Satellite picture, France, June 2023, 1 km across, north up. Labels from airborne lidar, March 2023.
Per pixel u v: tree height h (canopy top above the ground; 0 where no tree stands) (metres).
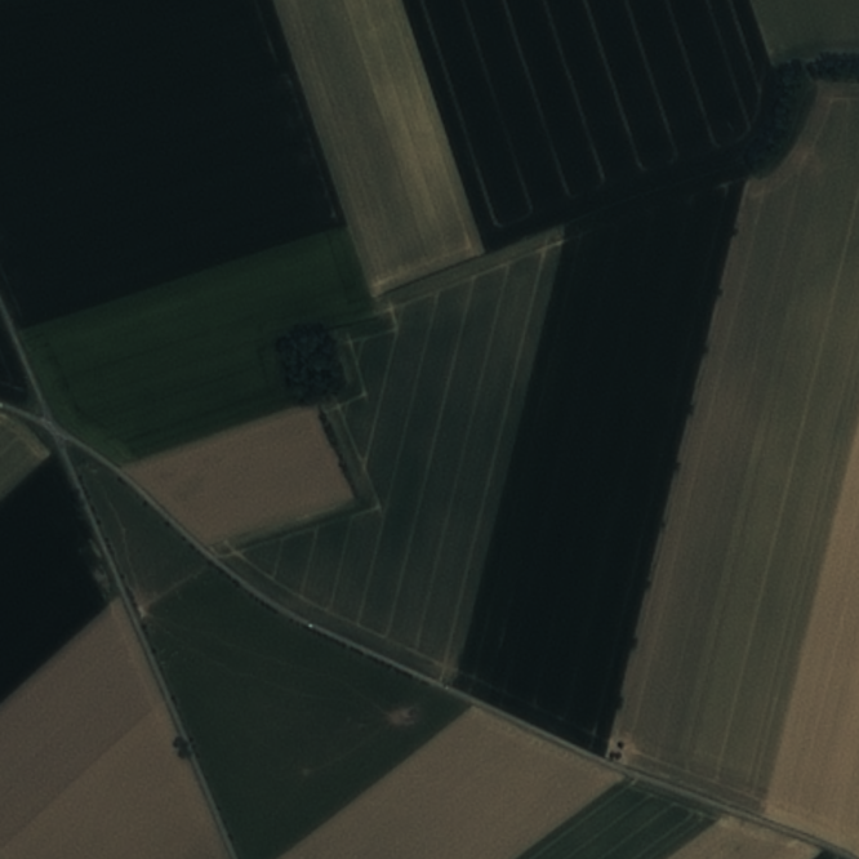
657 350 0
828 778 0
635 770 0
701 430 0
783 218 0
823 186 0
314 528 0
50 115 0
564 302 0
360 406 0
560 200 0
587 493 0
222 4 0
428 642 0
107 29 0
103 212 0
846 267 0
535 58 0
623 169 0
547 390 0
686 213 0
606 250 0
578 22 0
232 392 0
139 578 0
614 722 0
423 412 0
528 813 0
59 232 0
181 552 0
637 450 0
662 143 0
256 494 0
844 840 0
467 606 0
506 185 0
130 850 0
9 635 0
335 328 0
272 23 0
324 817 0
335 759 0
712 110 0
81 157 0
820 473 0
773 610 0
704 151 0
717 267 0
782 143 12
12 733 0
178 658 0
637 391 0
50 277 0
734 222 0
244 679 0
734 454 0
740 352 0
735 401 0
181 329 0
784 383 0
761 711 0
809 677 0
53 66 0
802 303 0
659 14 0
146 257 0
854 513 0
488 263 0
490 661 0
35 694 0
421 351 0
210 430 0
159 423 0
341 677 0
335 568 0
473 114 0
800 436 0
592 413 0
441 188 0
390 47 0
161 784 0
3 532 0
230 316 0
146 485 0
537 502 0
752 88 0
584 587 0
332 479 0
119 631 0
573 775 0
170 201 0
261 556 0
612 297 0
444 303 0
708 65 0
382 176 0
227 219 0
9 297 0
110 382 0
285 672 0
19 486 0
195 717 0
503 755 0
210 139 0
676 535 0
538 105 0
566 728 0
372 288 0
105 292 0
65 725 0
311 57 0
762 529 0
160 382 0
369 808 0
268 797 0
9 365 0
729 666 0
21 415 0
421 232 0
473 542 0
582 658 0
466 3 0
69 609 0
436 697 0
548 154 0
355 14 0
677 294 0
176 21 0
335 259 0
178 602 0
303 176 0
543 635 0
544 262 0
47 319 0
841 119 0
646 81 0
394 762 0
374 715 0
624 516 0
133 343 0
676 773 0
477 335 0
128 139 0
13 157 0
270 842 0
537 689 0
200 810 0
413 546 0
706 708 0
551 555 0
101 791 0
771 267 0
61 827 0
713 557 0
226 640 0
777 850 0
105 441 0
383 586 0
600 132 0
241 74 0
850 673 0
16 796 0
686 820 0
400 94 0
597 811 0
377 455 0
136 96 0
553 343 0
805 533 0
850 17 0
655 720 0
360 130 0
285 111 0
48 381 0
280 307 0
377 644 0
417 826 0
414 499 0
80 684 0
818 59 16
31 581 0
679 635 0
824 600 0
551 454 0
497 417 0
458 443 0
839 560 0
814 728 0
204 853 0
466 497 0
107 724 0
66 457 0
